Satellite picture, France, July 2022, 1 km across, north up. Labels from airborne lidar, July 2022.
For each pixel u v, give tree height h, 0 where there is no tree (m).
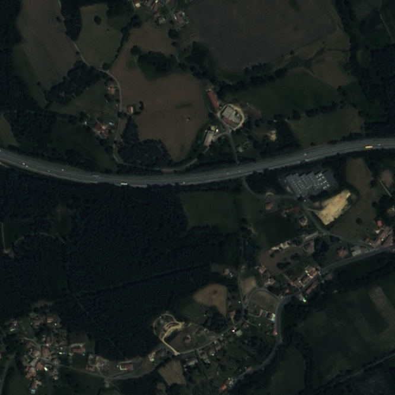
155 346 19
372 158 18
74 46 0
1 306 18
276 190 6
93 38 0
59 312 17
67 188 23
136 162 12
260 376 18
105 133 0
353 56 15
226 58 0
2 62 36
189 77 0
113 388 6
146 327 8
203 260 20
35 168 0
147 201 18
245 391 16
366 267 0
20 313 15
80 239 31
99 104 0
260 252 0
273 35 0
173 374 0
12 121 11
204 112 0
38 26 0
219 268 0
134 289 22
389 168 0
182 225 24
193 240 23
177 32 18
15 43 15
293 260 16
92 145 0
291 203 0
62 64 0
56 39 0
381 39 0
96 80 15
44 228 13
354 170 0
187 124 0
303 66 0
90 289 30
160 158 17
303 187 0
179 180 0
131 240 30
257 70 19
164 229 27
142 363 0
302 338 9
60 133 0
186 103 0
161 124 0
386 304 0
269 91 0
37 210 20
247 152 0
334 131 0
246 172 0
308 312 17
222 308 0
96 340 14
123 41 11
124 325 30
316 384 0
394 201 17
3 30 22
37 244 13
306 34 0
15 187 24
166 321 0
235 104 0
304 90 0
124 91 0
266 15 0
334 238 13
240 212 0
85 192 18
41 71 0
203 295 0
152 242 37
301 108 0
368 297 0
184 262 26
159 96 0
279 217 0
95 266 24
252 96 0
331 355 0
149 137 0
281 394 0
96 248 23
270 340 0
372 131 20
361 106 0
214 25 0
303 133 0
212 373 0
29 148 0
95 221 34
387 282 0
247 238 9
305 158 0
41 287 22
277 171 13
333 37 0
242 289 0
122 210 24
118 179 0
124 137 18
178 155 0
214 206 0
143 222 20
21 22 0
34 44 0
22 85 18
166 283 23
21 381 0
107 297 26
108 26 0
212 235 22
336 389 13
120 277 26
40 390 0
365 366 9
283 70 6
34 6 0
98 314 31
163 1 0
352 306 0
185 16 0
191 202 0
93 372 0
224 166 20
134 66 0
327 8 0
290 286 14
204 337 0
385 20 0
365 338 0
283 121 14
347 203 0
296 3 0
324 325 0
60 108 0
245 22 0
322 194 16
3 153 0
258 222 0
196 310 0
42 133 14
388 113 13
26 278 26
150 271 24
